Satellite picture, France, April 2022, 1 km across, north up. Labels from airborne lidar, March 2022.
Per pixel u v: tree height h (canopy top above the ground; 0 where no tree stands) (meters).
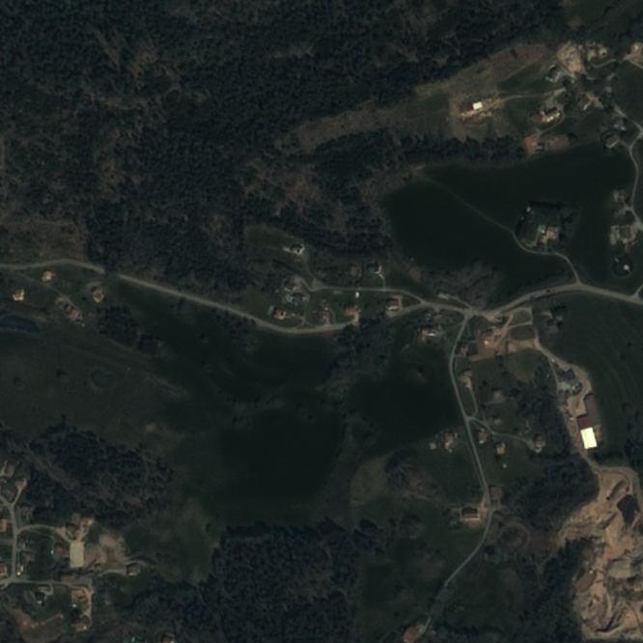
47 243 0
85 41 27
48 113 6
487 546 0
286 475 0
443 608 15
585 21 0
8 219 0
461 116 0
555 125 0
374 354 33
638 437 16
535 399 12
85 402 0
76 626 0
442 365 0
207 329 0
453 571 0
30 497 11
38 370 0
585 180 0
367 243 13
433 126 0
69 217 15
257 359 0
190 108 8
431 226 0
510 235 0
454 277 9
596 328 0
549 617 17
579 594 0
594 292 0
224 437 0
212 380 0
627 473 0
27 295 0
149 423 0
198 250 18
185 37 20
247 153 13
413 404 0
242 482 0
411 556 0
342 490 0
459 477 0
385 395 0
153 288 0
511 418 0
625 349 0
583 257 0
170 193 15
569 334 0
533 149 0
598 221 0
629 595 0
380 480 0
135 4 14
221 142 18
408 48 30
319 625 15
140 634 0
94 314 0
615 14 20
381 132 9
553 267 0
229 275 14
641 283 0
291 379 0
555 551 0
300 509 0
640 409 0
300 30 31
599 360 0
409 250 0
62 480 0
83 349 0
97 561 0
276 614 7
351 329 10
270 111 32
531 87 0
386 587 0
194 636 15
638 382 0
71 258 0
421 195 0
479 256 0
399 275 0
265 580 22
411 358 0
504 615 0
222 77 26
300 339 0
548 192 0
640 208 0
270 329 0
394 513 0
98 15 12
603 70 0
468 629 0
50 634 0
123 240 14
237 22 9
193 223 16
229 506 0
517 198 0
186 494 0
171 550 0
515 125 0
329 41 11
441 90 0
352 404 0
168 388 0
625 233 0
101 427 0
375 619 0
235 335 21
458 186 0
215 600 19
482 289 18
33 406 0
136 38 28
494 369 0
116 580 7
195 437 0
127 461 15
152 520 26
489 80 0
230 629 10
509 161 24
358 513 0
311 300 0
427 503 0
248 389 0
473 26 14
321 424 0
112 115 10
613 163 0
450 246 0
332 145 8
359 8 11
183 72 30
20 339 0
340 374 22
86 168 9
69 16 20
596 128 0
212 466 0
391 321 24
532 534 0
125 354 0
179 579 0
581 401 0
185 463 0
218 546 0
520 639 9
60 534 0
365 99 8
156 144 26
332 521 0
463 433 0
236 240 22
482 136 0
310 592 0
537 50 0
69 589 0
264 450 0
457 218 0
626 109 0
